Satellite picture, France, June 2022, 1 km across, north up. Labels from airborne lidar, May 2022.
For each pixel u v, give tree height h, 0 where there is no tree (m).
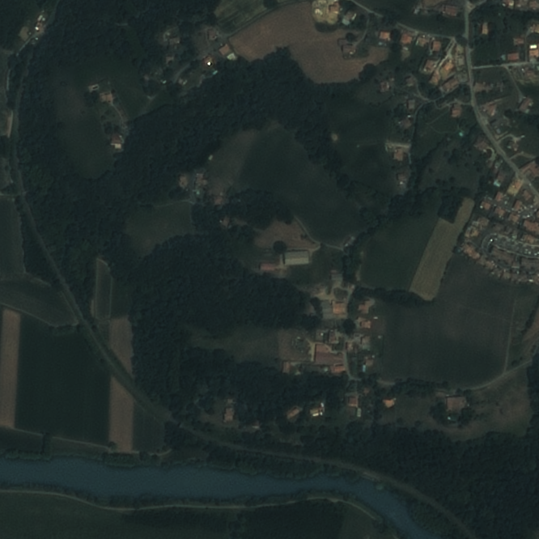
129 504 15
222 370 9
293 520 8
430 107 13
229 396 15
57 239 10
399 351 0
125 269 28
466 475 25
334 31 0
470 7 0
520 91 0
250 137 0
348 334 9
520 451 23
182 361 17
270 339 0
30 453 11
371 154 0
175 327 21
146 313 21
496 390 0
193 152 27
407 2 0
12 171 10
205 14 15
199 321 21
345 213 0
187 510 6
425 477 25
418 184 18
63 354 0
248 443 16
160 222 0
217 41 7
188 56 11
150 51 15
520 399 0
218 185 0
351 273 19
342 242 0
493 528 21
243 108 30
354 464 9
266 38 0
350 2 13
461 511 21
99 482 0
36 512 0
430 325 0
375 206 0
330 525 6
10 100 16
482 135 6
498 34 15
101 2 21
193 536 0
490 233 0
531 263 0
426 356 0
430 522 34
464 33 0
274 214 19
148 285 25
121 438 0
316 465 20
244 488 0
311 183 0
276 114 20
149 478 0
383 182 0
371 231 18
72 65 9
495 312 0
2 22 14
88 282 18
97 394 0
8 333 0
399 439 26
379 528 25
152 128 28
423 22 0
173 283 24
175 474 0
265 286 26
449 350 0
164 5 10
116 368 0
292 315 22
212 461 20
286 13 0
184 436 22
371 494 0
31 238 15
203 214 22
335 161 21
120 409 0
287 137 0
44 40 14
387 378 0
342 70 0
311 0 0
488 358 0
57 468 0
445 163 0
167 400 22
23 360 0
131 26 17
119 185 21
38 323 0
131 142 17
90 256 15
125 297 0
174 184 9
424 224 0
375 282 0
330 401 21
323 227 0
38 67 12
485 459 21
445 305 0
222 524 8
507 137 0
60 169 21
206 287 27
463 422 11
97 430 0
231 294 23
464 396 7
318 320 19
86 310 17
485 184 15
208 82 17
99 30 13
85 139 0
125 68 0
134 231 0
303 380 20
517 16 6
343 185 17
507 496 36
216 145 18
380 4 0
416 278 0
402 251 0
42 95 10
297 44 0
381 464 34
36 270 16
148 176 24
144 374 18
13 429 0
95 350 14
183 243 25
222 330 24
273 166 0
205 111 32
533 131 0
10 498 0
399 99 0
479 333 0
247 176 0
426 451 26
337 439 10
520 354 0
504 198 0
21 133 11
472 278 0
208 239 17
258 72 11
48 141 24
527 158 0
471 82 0
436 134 0
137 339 13
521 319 0
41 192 23
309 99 32
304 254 0
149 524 8
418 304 19
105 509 0
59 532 0
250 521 8
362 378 11
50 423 0
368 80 15
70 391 0
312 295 0
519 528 23
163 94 0
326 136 13
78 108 0
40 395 0
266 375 19
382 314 0
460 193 14
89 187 22
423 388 26
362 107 0
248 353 0
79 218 25
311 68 0
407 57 0
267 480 0
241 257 0
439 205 0
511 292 0
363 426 15
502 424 0
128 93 0
